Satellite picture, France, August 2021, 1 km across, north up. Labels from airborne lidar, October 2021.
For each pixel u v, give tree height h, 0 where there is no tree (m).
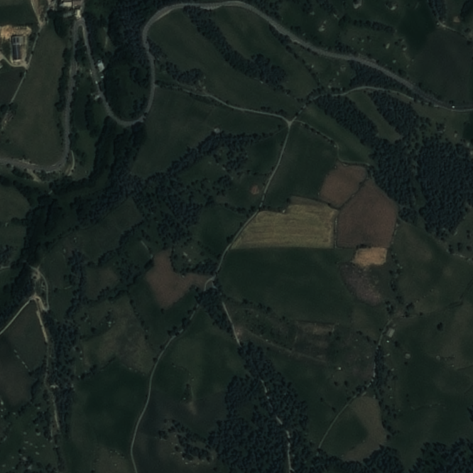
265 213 0
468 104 0
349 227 0
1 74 0
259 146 0
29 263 10
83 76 7
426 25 0
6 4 0
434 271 0
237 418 19
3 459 0
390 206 0
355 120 12
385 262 0
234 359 0
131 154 15
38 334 0
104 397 0
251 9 0
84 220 8
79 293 10
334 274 0
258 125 0
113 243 0
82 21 0
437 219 10
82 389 0
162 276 0
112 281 0
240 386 16
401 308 0
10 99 0
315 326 0
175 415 0
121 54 17
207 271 9
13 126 0
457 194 14
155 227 0
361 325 0
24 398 0
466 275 0
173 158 0
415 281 0
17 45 0
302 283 0
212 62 0
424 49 0
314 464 17
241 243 0
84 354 0
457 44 0
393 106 9
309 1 13
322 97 7
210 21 9
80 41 9
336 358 0
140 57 19
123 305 0
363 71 12
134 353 0
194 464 0
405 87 9
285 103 0
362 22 11
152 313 0
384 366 14
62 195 18
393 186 15
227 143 12
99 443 0
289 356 0
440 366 0
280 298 0
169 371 0
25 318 0
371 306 0
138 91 0
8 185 16
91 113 13
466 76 0
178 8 0
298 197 0
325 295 0
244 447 14
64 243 0
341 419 0
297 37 0
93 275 0
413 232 0
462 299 0
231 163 10
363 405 0
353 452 0
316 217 0
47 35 0
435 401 0
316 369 0
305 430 13
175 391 0
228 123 0
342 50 13
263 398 7
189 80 11
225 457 14
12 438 0
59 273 0
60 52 0
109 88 20
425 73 0
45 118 0
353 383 0
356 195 0
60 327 7
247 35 0
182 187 13
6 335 0
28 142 0
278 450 18
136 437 0
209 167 0
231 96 0
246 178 0
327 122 0
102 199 12
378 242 0
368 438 0
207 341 0
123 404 0
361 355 0
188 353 0
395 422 0
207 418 0
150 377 0
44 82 0
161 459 0
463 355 0
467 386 0
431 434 0
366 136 8
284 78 16
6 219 0
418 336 0
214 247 0
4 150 0
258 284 0
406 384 0
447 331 0
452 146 9
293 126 0
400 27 0
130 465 0
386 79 13
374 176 6
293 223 0
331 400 0
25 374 0
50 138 0
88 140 0
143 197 15
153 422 0
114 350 0
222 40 12
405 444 0
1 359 0
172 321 0
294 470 7
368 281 0
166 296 0
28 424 0
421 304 0
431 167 16
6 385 0
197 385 0
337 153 0
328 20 0
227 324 18
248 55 0
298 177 0
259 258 0
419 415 0
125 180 15
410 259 0
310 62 0
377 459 26
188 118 0
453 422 0
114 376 0
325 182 0
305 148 0
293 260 0
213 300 21
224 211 0
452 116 0
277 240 0
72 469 0
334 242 0
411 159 9
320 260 0
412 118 14
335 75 0
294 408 8
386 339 0
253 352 20
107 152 18
